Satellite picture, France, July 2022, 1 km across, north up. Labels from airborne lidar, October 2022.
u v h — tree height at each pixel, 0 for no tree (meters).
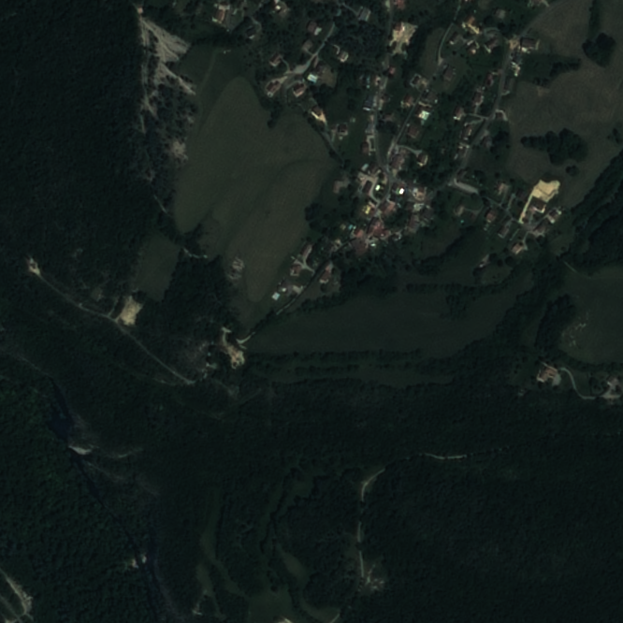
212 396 8
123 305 10
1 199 7
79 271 6
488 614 15
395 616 13
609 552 14
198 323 6
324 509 13
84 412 12
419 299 0
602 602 13
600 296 0
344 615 16
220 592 11
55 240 7
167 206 16
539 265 5
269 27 10
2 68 10
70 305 6
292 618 0
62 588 19
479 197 9
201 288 13
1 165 11
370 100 0
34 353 9
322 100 18
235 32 7
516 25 13
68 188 8
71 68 9
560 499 15
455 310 14
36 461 21
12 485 15
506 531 16
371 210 0
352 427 11
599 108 0
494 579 14
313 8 7
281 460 15
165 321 8
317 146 0
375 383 12
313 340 0
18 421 24
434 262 15
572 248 8
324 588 17
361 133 0
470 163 0
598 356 0
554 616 16
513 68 0
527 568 13
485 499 10
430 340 0
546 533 16
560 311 14
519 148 0
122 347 8
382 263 11
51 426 20
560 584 14
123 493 14
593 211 10
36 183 17
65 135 12
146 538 17
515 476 6
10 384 21
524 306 13
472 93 7
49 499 20
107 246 7
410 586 13
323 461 19
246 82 0
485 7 0
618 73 0
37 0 12
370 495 11
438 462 10
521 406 12
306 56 12
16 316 10
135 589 17
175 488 11
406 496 13
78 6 10
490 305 0
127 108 18
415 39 10
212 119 0
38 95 8
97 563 18
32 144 13
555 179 0
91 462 22
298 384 11
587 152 13
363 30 19
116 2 13
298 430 11
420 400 9
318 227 18
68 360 12
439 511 12
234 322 15
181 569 8
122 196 10
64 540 12
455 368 13
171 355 10
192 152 0
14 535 14
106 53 9
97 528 19
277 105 10
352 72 14
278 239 0
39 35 13
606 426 13
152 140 20
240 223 0
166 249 0
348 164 10
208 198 0
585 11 0
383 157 0
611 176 15
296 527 10
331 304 13
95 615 14
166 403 10
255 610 0
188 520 12
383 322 0
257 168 0
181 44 0
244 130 0
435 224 13
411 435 17
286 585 16
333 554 17
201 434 16
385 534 16
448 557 13
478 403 10
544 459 15
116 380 13
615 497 17
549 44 0
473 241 0
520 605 14
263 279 0
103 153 14
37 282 7
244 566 10
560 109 0
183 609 7
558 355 14
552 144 21
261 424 9
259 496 15
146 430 13
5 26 12
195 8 12
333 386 16
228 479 11
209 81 0
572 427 11
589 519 18
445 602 16
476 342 8
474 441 17
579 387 0
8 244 12
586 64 0
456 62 0
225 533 11
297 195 0
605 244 16
